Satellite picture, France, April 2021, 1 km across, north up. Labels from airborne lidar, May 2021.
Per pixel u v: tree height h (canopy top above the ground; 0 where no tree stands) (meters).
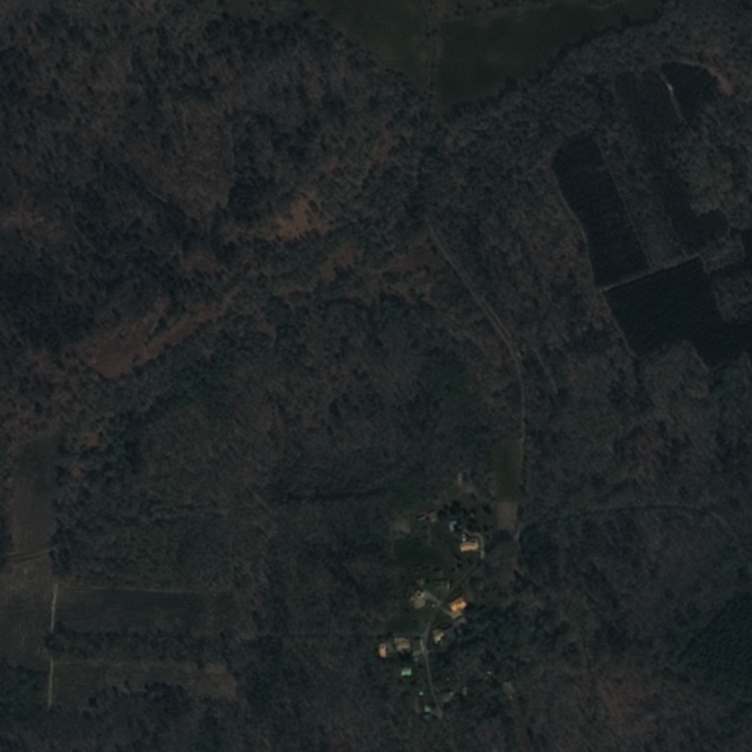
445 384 15
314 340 12
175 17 12
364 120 18
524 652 18
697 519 13
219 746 17
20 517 0
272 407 12
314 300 18
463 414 13
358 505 15
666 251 11
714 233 7
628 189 15
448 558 0
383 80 13
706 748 13
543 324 8
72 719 12
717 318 6
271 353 18
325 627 19
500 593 20
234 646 23
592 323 9
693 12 16
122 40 8
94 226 5
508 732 18
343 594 14
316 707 15
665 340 7
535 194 22
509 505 0
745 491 16
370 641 19
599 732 16
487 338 12
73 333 18
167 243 6
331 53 14
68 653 19
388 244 17
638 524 11
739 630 16
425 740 12
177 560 14
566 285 0
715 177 12
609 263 7
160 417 21
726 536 16
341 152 13
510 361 9
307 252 22
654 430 7
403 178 10
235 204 18
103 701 13
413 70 0
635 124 7
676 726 15
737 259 7
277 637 15
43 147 11
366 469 10
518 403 10
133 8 10
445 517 10
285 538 18
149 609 0
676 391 7
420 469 11
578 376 8
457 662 20
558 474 10
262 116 8
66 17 13
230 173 10
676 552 18
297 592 14
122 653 17
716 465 11
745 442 11
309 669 15
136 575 16
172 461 16
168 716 29
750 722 20
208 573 16
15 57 14
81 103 9
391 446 13
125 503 11
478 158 20
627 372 8
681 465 12
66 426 15
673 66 7
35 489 0
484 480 12
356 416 8
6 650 0
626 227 6
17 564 0
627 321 8
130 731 12
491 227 11
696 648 18
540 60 0
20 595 0
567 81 12
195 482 14
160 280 17
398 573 13
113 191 8
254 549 14
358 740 11
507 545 21
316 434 11
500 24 0
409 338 15
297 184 7
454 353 14
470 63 0
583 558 16
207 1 14
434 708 11
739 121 16
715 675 15
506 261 14
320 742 9
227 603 0
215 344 13
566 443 19
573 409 14
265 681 25
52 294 18
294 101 21
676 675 13
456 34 0
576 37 0
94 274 0
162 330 10
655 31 8
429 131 17
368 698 21
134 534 16
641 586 13
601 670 9
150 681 0
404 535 9
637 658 10
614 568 12
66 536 14
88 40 19
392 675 9
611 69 8
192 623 0
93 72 11
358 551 22
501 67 0
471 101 0
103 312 13
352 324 13
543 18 0
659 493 12
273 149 10
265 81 10
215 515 12
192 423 11
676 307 8
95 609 0
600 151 7
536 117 21
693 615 14
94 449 8
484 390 15
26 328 21
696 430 10
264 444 8
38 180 7
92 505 23
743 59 8
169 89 10
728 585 14
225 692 0
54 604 0
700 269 6
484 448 15
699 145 14
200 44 9
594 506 11
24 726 15
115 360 0
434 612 0
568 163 7
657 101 8
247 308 11
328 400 11
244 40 15
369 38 0
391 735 14
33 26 7
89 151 10
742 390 12
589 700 7
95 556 8
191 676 0
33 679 13
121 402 19
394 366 14
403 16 0
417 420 12
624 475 18
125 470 10
